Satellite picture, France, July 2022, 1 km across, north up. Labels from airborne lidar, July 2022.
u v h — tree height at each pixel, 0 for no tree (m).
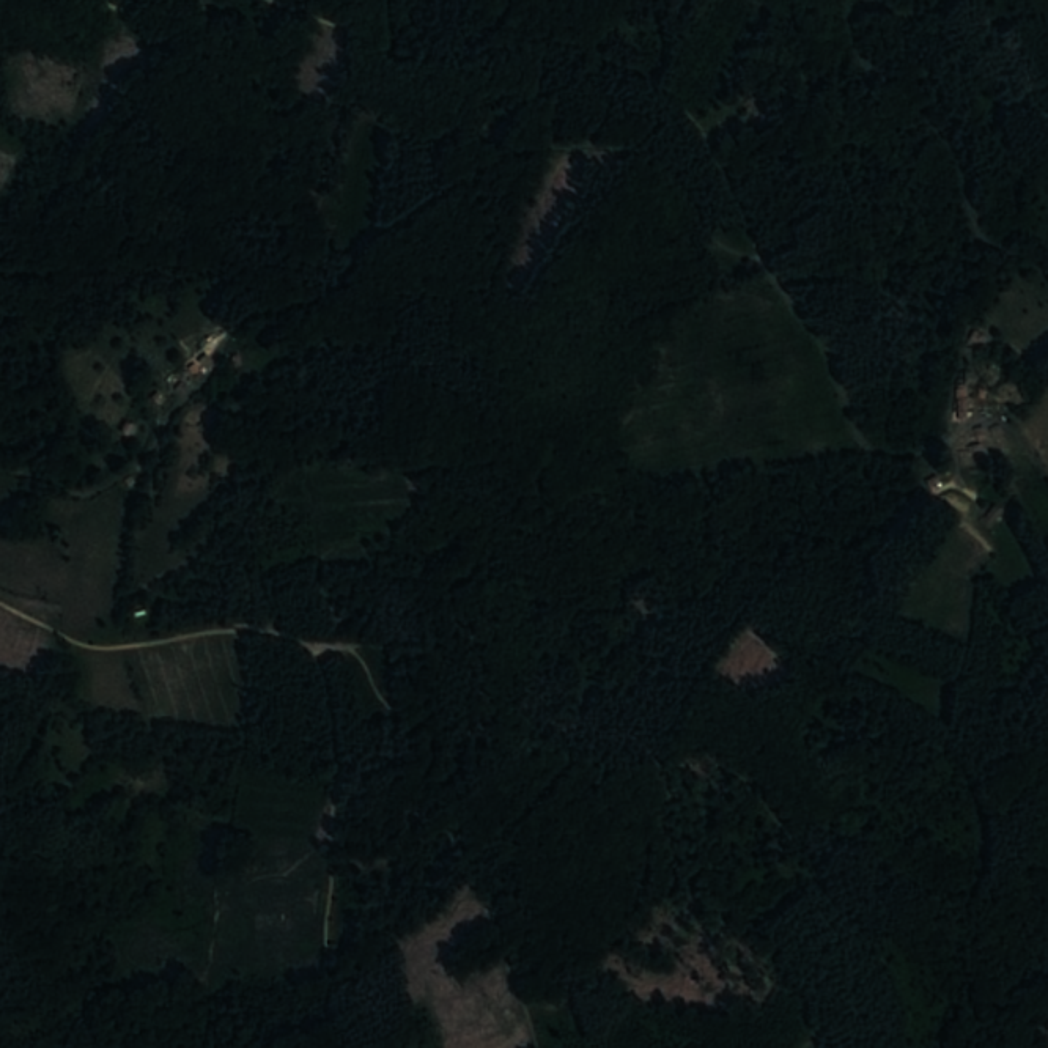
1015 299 0
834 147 23
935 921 22
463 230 30
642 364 26
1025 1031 27
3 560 0
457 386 27
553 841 33
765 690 34
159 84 35
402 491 0
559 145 21
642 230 28
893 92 29
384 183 20
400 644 26
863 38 27
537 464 27
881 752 21
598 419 28
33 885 24
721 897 31
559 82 21
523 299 24
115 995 26
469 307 29
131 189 31
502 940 19
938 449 30
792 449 0
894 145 31
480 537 15
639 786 31
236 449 23
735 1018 29
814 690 27
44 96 0
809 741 30
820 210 31
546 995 21
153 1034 25
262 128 27
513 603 24
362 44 26
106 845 30
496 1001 0
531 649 23
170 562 0
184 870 0
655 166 23
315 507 0
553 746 27
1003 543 0
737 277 14
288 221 31
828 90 35
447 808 27
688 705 27
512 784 30
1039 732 30
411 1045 12
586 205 30
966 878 8
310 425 29
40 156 20
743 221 17
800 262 33
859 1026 26
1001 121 30
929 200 27
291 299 24
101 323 17
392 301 31
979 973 23
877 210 22
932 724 32
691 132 26
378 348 20
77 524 0
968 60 25
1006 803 28
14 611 0
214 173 29
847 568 17
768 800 30
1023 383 22
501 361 22
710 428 0
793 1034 6
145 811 17
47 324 14
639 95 26
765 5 23
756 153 30
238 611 19
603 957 25
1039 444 0
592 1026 27
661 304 17
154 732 11
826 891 33
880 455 14
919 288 13
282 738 12
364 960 26
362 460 23
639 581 32
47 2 30
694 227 32
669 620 27
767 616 23
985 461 28
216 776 13
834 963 25
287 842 0
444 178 29
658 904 28
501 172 30
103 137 29
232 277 24
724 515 26
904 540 39
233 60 31
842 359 30
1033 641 22
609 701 27
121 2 7
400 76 31
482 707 27
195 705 0
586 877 32
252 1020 18
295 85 26
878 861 19
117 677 0
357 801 29
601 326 18
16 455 24
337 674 20
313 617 21
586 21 32
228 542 15
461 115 31
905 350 37
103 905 13
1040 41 20
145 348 0
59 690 16
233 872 34
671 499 35
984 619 10
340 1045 27
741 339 0
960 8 29
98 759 12
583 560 16
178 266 20
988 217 12
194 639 0
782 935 27
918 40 23
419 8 23
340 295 31
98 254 29
